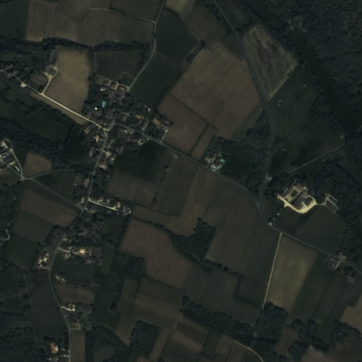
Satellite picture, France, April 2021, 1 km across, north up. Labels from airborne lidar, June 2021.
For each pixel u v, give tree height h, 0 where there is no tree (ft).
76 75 0
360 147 77
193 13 0
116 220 69
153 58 0
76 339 0
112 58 0
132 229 0
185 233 0
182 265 0
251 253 0
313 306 0
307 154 0
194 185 0
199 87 0
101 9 0
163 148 0
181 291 0
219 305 0
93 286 0
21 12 0
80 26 0
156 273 0
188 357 0
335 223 0
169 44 0
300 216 0
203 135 0
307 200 0
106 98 30
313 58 0
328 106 66
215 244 0
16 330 26
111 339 40
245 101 0
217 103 0
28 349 49
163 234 0
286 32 68
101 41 0
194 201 0
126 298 0
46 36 0
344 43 58
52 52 0
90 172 33
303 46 0
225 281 0
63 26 0
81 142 56
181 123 0
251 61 0
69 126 22
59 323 0
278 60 0
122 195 0
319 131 0
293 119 0
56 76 0
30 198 0
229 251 0
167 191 0
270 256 0
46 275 0
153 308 0
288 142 0
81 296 0
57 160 52
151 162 0
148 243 0
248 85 0
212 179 0
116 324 0
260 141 66
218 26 0
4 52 81
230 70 0
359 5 54
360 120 0
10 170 0
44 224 0
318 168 0
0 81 0
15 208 53
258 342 38
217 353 0
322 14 43
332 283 0
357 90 52
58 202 0
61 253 0
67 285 0
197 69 0
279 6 63
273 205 0
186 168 0
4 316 48
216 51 0
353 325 0
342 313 0
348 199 50
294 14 65
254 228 0
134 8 0
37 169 0
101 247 38
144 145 0
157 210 0
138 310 0
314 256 0
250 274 0
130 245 0
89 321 27
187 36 0
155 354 0
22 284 51
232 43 0
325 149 0
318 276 0
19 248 0
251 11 69
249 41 0
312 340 53
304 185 30
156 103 0
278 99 0
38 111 44
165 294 0
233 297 0
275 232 0
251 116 0
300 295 0
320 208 0
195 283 0
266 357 55
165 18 0
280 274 0
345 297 0
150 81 0
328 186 71
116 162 0
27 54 65
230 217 0
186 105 0
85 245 45
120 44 26
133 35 0
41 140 22
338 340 46
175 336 0
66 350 22
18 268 41
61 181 0
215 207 0
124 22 0
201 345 0
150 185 0
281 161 0
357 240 41
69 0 0
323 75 0
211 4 24
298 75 30
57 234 0
